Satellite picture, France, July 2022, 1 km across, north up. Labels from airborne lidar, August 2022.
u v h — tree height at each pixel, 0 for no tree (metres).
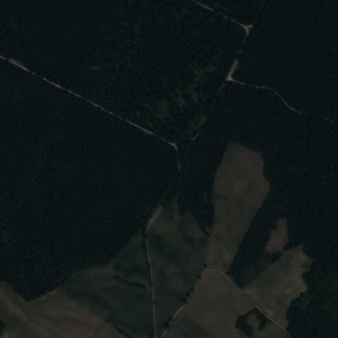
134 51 17
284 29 18
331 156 23
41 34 17
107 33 15
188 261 0
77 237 16
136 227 17
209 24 18
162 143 20
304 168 19
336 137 15
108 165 14
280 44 19
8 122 15
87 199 19
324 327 21
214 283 0
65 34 18
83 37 23
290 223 8
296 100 18
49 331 0
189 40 22
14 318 0
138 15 12
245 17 15
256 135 22
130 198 19
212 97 16
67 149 14
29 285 22
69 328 0
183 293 0
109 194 10
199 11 23
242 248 10
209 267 0
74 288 0
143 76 13
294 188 10
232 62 8
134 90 19
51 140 15
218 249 0
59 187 14
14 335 0
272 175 9
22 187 23
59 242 23
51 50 8
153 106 19
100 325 0
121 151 18
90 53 10
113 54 18
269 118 20
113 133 15
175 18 20
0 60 11
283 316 0
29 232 16
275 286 0
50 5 14
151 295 0
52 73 11
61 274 16
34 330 0
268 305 0
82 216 13
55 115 16
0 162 19
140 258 0
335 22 18
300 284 0
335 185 17
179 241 0
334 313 0
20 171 21
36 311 0
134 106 14
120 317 0
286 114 19
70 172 14
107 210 9
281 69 17
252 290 0
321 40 25
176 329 0
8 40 19
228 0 24
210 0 13
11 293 0
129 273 0
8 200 23
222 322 0
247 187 0
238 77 17
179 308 0
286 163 20
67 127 18
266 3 17
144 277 0
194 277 0
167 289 0
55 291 0
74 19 19
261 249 15
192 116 19
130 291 0
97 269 0
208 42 18
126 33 18
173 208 0
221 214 0
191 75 19
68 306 0
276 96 19
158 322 0
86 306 0
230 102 23
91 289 0
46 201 12
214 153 11
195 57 16
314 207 19
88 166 11
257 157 0
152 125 18
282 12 19
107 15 15
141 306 0
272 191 8
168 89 9
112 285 0
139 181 16
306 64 19
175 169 17
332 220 17
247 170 0
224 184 0
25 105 13
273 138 12
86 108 17
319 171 16
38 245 9
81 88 15
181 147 15
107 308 0
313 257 22
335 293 0
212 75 18
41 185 11
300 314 14
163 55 13
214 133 21
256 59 26
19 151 17
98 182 14
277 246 0
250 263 14
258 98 23
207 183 13
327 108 20
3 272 13
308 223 8
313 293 19
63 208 13
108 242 18
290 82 17
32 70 19
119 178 15
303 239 16
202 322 0
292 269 0
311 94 19
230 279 0
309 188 18
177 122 10
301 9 23
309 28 17
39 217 26
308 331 21
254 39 21
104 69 17
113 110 21
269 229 14
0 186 21
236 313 0
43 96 16
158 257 0
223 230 0
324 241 16
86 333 0
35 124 15
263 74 22
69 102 17
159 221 0
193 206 15
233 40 12
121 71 15
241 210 0
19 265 18
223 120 20
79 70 11
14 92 23
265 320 15
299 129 18
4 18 17
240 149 0
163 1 15
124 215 8
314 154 21
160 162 15
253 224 12
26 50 11
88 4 24
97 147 14
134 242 0
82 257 17
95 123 18
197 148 15
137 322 0
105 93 17
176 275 0
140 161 12
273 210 13
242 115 19
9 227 9
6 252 18
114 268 0
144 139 11
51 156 16
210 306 0
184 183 18
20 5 19
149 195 19
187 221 0
